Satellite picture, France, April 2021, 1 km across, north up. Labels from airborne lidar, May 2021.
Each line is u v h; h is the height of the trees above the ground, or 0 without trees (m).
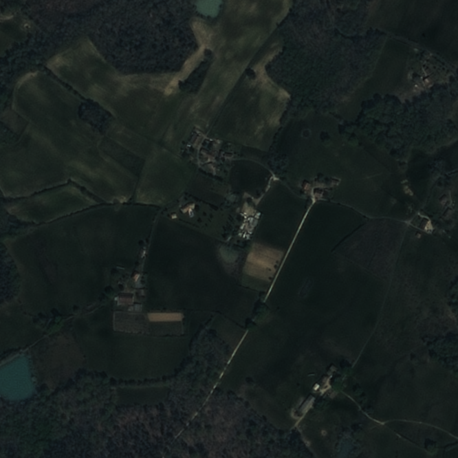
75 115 0
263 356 0
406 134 21
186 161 10
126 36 13
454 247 0
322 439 0
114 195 0
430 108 22
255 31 0
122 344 0
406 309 0
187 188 0
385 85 0
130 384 10
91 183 0
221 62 0
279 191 0
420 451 0
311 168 0
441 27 0
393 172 0
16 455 29
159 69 7
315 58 16
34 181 0
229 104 0
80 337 0
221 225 0
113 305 0
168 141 0
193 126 0
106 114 13
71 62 0
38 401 19
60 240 0
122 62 10
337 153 0
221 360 19
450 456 0
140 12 13
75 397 15
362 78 15
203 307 0
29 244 0
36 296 0
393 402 0
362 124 19
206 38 0
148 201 0
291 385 0
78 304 0
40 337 0
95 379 21
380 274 0
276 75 14
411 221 0
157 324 0
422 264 0
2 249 19
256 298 0
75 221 0
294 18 17
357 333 0
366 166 0
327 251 0
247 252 12
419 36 0
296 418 0
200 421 7
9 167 0
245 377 0
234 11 0
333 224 0
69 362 0
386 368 0
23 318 0
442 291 0
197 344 16
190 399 15
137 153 0
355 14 13
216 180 9
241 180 0
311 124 0
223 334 0
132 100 0
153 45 5
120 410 9
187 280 0
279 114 0
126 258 0
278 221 0
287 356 0
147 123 0
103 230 0
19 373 0
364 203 0
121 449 24
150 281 0
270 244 0
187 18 8
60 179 0
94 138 0
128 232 0
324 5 17
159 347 0
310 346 0
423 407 0
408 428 0
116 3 15
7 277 22
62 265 0
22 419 16
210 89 0
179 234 0
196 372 20
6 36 0
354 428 8
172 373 0
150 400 0
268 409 0
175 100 0
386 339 0
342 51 18
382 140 18
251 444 7
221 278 0
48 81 0
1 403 22
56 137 0
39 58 19
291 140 0
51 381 0
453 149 0
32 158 0
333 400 0
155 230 0
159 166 0
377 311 0
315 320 0
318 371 0
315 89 16
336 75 19
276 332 0
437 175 17
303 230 0
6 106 13
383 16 0
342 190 0
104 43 8
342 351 0
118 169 0
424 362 0
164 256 0
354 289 0
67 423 8
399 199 0
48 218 0
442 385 0
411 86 0
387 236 0
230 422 16
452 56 0
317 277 0
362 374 0
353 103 0
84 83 0
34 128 0
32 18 16
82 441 25
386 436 0
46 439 20
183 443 15
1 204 13
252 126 0
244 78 0
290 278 0
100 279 0
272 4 0
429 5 0
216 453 8
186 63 0
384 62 0
